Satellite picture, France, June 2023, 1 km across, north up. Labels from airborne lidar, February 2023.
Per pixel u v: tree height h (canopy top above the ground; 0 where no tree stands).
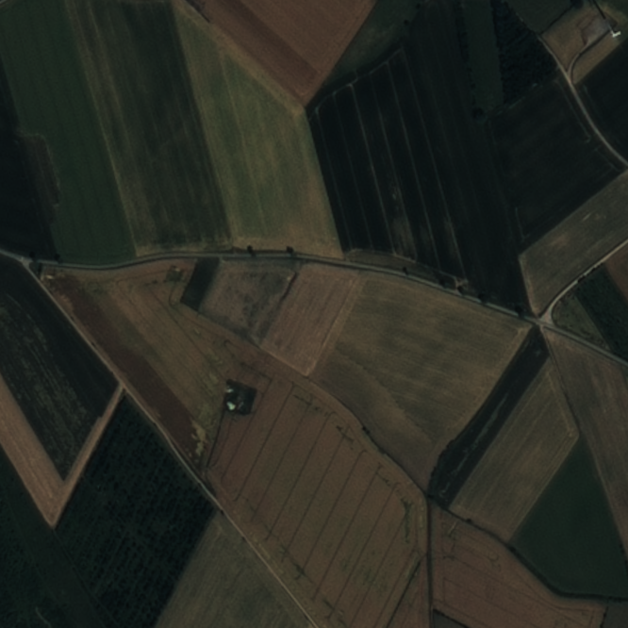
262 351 0
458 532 0
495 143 0
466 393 0
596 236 0
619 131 0
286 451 0
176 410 0
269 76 0
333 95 0
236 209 0
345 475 0
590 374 0
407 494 0
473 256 0
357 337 0
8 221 0
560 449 0
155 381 0
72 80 0
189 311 0
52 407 0
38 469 0
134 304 0
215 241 0
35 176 0
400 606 0
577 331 0
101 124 0
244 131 0
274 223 0
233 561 0
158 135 0
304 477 0
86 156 0
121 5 0
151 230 0
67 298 0
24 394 0
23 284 0
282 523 0
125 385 0
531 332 0
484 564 0
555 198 0
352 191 0
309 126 0
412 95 0
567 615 0
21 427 0
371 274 0
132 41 0
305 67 0
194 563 0
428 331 0
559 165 0
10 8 0
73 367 0
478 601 0
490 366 0
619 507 0
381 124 0
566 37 0
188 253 0
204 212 0
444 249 0
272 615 0
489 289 0
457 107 0
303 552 0
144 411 0
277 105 0
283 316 0
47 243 0
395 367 0
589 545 0
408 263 0
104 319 0
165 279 0
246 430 0
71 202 0
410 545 0
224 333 0
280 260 0
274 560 0
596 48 0
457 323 0
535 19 0
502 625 0
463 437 0
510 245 0
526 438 0
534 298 0
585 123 0
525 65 8
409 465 0
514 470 0
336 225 0
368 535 0
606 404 0
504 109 0
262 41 0
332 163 0
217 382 0
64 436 0
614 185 0
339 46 0
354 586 0
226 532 0
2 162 0
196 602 0
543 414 0
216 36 0
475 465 0
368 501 0
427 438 0
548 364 0
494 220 0
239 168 0
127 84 0
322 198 0
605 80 0
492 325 0
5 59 0
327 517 0
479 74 0
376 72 0
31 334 0
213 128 0
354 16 0
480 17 0
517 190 0
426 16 0
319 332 0
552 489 0
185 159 0
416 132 0
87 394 0
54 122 0
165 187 0
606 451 0
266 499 0
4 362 0
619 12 0
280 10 0
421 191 0
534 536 0
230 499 0
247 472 0
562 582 0
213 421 0
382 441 0
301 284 0
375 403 0
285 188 0
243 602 0
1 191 0
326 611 0
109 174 0
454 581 0
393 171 0
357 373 0
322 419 0
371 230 0
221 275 0
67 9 0
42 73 0
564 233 0
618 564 0
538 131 0
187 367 0
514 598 0
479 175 0
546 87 0
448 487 0
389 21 0
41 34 0
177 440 0
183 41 0
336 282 0
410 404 0
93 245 0
